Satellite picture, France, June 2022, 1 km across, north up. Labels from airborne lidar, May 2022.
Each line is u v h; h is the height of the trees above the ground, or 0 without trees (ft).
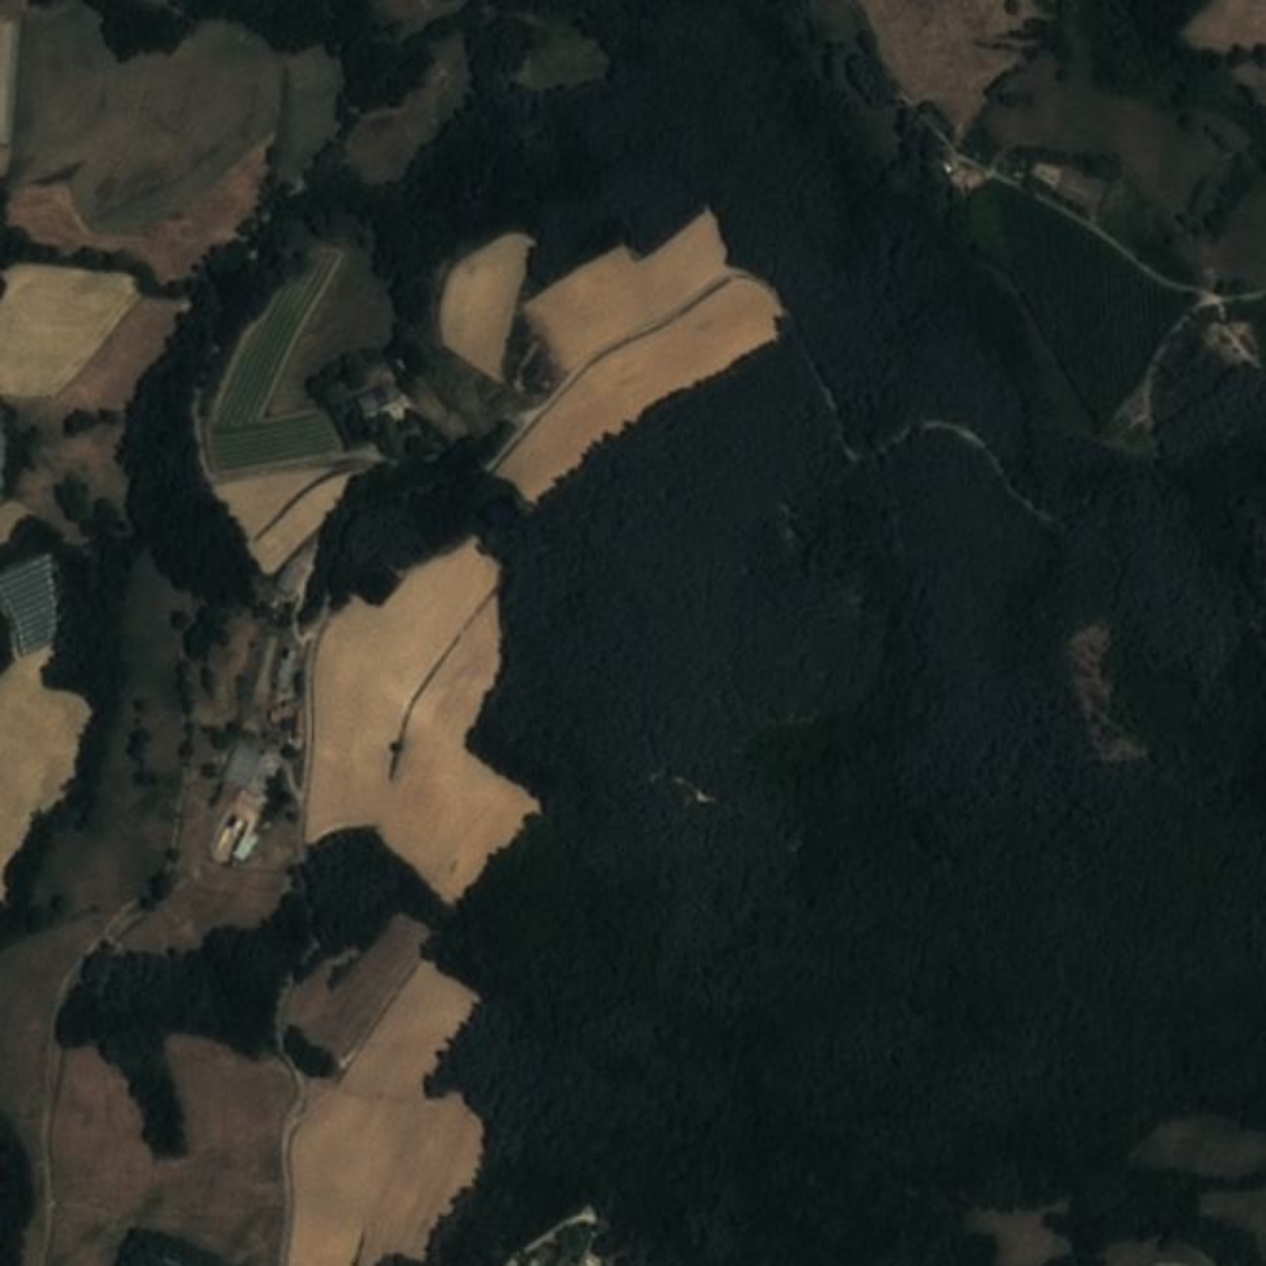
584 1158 42
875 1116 59
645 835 54
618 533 60
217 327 47
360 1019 0
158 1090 29
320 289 0
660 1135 29
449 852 0
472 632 0
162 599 0
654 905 48
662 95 61
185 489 38
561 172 59
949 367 55
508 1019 56
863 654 74
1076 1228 33
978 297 71
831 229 53
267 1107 0
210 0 64
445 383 0
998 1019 72
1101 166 34
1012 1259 0
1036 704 77
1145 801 66
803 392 73
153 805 0
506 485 22
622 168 31
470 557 0
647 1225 29
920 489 45
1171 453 70
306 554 0
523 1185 28
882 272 74
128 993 57
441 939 37
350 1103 0
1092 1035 64
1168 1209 39
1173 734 35
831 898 55
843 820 40
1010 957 67
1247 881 67
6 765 0
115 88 0
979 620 47
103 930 0
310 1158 0
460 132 59
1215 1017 49
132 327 0
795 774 26
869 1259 42
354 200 64
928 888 60
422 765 0
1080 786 70
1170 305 26
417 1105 0
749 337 0
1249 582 68
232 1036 41
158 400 55
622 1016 46
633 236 31
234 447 0
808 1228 52
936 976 71
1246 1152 0
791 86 44
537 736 64
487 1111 60
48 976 0
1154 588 58
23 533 46
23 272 0
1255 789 61
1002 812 84
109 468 0
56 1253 0
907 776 72
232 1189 0
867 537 83
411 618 0
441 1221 35
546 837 28
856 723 53
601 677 53
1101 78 22
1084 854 80
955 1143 61
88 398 0
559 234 40
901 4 0
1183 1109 19
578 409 0
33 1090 0
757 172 56
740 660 56
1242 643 26
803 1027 66
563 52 0
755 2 58
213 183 0
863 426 72
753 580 53
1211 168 0
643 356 0
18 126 0
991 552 49
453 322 0
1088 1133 48
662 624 58
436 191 72
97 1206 0
